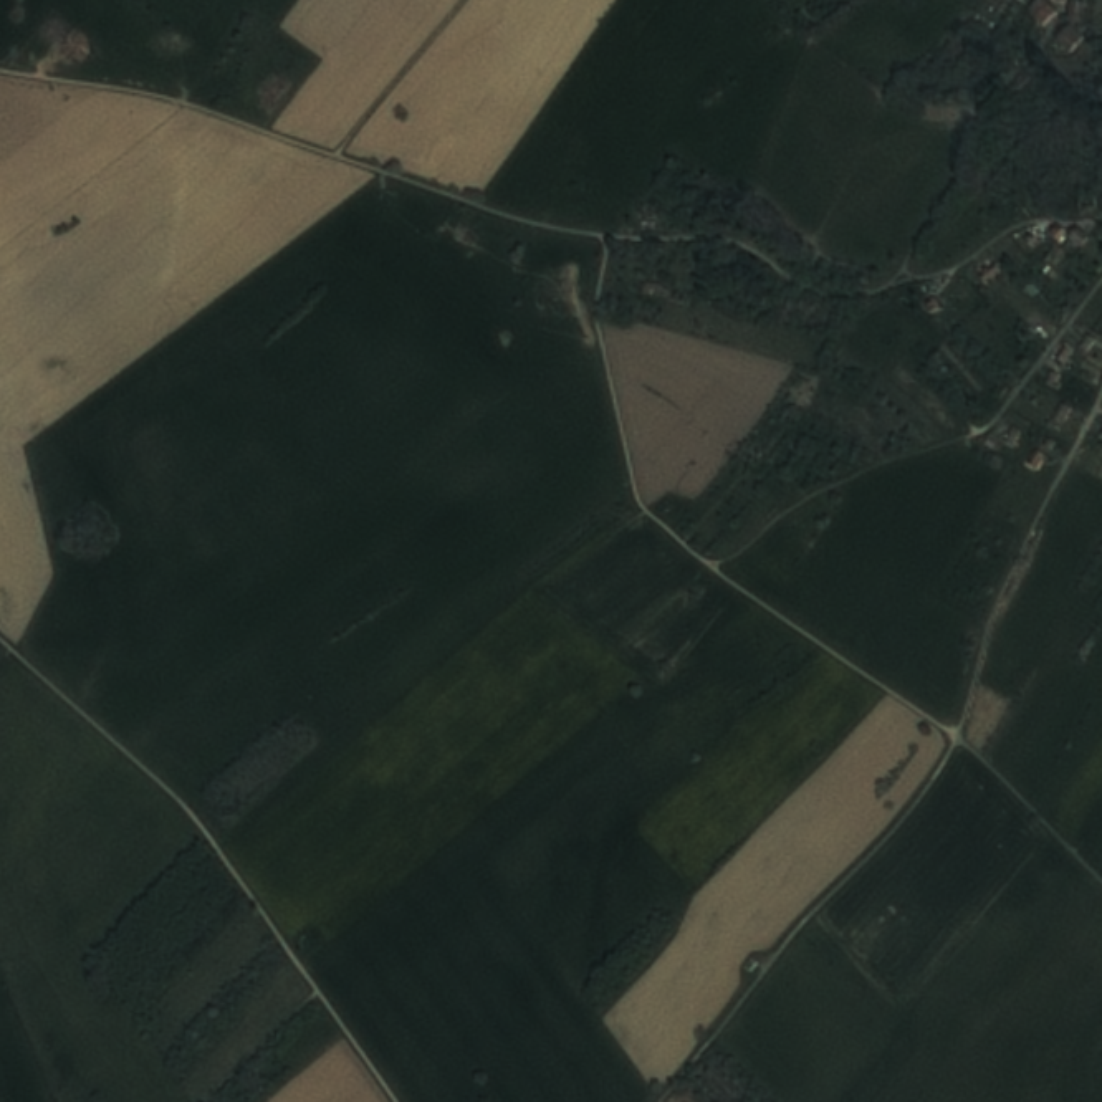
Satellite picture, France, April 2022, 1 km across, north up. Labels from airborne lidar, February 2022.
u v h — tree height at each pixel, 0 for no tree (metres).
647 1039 0
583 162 0
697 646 0
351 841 0
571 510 0
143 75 0
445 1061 0
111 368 0
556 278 0
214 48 0
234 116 0
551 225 0
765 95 0
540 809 0
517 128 0
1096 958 0
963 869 0
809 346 0
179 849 0
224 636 0
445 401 0
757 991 0
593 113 0
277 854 0
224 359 0
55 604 0
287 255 0
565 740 0
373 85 0
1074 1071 0
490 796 0
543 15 0
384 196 0
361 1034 0
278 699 0
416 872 0
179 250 0
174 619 0
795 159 0
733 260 13
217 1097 11
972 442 0
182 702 0
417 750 0
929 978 0
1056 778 0
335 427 0
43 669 0
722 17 0
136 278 0
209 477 0
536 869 0
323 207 0
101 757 0
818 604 0
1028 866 0
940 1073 0
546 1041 0
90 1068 0
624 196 0
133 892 0
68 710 0
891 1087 0
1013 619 0
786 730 0
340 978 0
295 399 0
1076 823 0
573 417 0
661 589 0
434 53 0
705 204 12
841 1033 0
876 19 0
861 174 0
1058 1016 0
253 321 0
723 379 0
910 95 10
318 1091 0
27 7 0
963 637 0
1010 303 0
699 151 0
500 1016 0
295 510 0
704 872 0
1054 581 0
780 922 0
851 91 0
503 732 0
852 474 0
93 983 16
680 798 0
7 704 0
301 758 13
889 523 0
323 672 0
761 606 0
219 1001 10
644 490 0
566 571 0
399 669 0
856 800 0
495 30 0
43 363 0
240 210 0
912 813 0
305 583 0
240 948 0
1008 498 0
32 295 0
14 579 0
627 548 0
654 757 0
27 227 0
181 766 0
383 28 0
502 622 0
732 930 0
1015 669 0
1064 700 0
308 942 0
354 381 0
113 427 0
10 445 0
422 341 0
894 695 0
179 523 0
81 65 0
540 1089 0
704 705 0
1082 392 0
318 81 0
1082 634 0
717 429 0
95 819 0
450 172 0
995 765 0
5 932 0
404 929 0
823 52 0
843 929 0
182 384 0
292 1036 9
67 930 0
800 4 0
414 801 0
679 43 0
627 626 0
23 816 0
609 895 0
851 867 0
